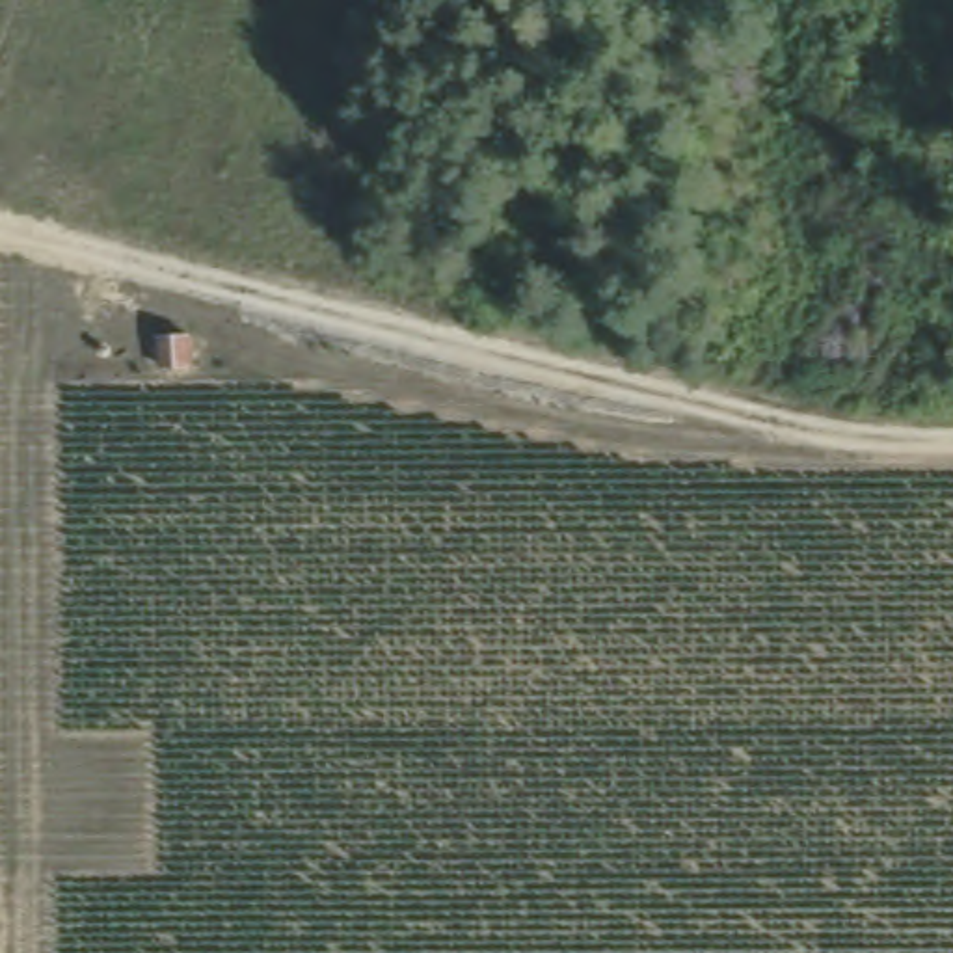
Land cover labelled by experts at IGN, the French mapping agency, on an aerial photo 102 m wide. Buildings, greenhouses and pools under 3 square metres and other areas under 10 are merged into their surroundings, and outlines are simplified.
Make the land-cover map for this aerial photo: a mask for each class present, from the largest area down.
<instances>
[{"label":"vineyard","instance_id":"1","mask_svg":"<svg viewBox=\"0 0 953 953\"><path fill-rule=\"evenodd\" d=\"M78 313L71 272L26 261L22 253H0V953H953V469H871L800 473L733 469L730 462H625L614 454L577 450L570 443H540L529 436L510 439L469 421L398 413L383 402H346L331 391H294L287 383H97L56 391L41 376V350L48 320H71ZM149 733L156 745V875H60L56 890L41 882V745L145 741Z\"/></svg>","mask_w":953,"mask_h":953},{"label":"coniferous trees","instance_id":"2","mask_svg":"<svg viewBox=\"0 0 953 953\"><path fill-rule=\"evenodd\" d=\"M778 7L771 0H357L350 11L354 45H342L335 56L339 74L354 78V89L346 93V104L339 112L342 119L357 123L372 160L402 190L383 201V223L354 231V242L369 257H346L350 283L339 294L406 309L424 320H450L477 335L525 339L532 346H547L570 357H599L603 350L592 342L584 324L603 313L618 335L637 339L659 313H674L681 298L700 294L707 283L704 257L696 249L704 212L733 208L741 197L756 194L752 179H722L715 171V160H722L733 149L737 138V93L756 89V63L763 48L778 41Z\"/></svg>","mask_w":953,"mask_h":953},{"label":"brushwood","instance_id":"3","mask_svg":"<svg viewBox=\"0 0 953 953\"><path fill-rule=\"evenodd\" d=\"M778 7V41L763 48L756 63V89L737 93V138L733 149L722 160H715V171L722 179H752L756 194L741 197L733 208L704 212L696 249L704 257L707 283L700 294L681 298L674 313H659L637 339L618 335L603 313L584 324L592 342L603 350L618 357V365L629 372H670L689 387H718L748 402L845 421H901L919 428H953V0H771Z\"/></svg>","mask_w":953,"mask_h":953},{"label":"agricultural land","instance_id":"4","mask_svg":"<svg viewBox=\"0 0 953 953\"><path fill-rule=\"evenodd\" d=\"M357 0H0V208L52 220L71 231L115 238L138 249L171 253L182 261L264 279H298L316 294H339L350 283L346 257H369L354 242V231L383 223V201L402 190L372 160L357 123L342 119L339 112L346 104V93L354 89V78L339 74L335 56L342 45H354L350 11Z\"/></svg>","mask_w":953,"mask_h":953},{"label":"herbaceous vegetation","instance_id":"5","mask_svg":"<svg viewBox=\"0 0 953 953\"><path fill-rule=\"evenodd\" d=\"M78 313L71 320H48L41 350V376L56 391L97 383H287L294 391H331L346 402H383L398 413L469 421L510 439L529 436L540 443H570L577 450L614 454L625 462H730L733 469L800 473L871 469L856 450L771 443L733 424L678 417L670 409L566 391L540 380L495 376L372 339L328 335L287 316L246 313L227 302L134 283L112 272H71ZM171 335L194 339L197 361L186 380L171 372ZM156 745L149 733L145 741L41 745V882L56 890L60 875H156Z\"/></svg>","mask_w":953,"mask_h":953},{"label":"pervious surface","instance_id":"6","mask_svg":"<svg viewBox=\"0 0 953 953\"><path fill-rule=\"evenodd\" d=\"M0 253H22L26 261L71 272H112L134 283L227 302L246 313L287 316L328 335L372 339L495 376L540 380L566 391L670 409L678 417L733 424L771 443L856 450L871 469H953V428H919L901 421H845L748 402L718 387H689L670 372H629L618 365V357L603 350L599 357H570L547 346H532L525 339L477 335L450 320H424L406 309L339 294H316L298 279H264L182 261L171 253L138 249L115 238L71 231L52 220L0 208Z\"/></svg>","mask_w":953,"mask_h":953},{"label":"building","instance_id":"7","mask_svg":"<svg viewBox=\"0 0 953 953\"><path fill-rule=\"evenodd\" d=\"M171 372L186 380L197 361L194 339L171 335Z\"/></svg>","mask_w":953,"mask_h":953}]
</instances>
